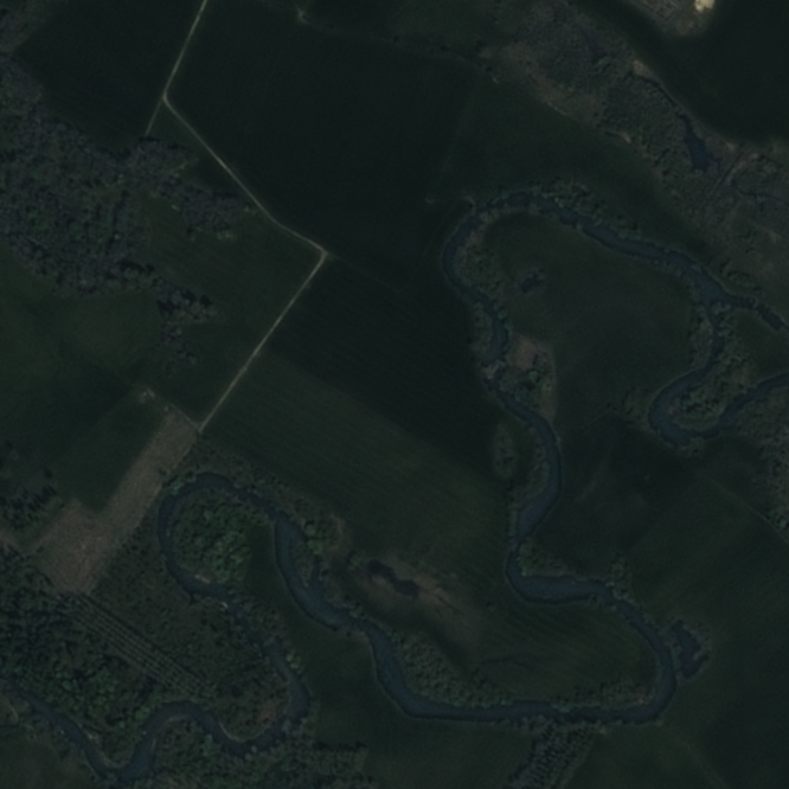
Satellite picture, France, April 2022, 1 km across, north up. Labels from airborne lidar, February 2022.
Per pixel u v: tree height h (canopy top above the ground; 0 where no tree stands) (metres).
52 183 22
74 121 0
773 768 0
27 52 0
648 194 0
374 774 0
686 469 0
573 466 0
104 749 0
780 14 0
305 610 0
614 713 0
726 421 0
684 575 0
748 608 0
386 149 0
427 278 0
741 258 0
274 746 0
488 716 0
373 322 0
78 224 18
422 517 0
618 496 0
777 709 0
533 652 0
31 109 14
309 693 0
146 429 0
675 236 0
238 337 0
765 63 0
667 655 0
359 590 0
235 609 0
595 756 0
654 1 0
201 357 0
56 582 0
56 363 0
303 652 0
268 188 0
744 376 29
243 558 11
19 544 0
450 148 0
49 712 0
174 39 0
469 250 6
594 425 0
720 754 0
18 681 0
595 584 0
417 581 0
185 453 0
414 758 0
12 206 18
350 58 0
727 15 0
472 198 0
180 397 0
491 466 0
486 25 0
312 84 0
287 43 0
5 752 0
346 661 0
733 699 0
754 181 6
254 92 0
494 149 0
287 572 0
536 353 0
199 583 0
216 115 0
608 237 0
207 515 13
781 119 0
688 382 0
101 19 0
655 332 0
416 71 0
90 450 0
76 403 0
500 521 0
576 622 0
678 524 0
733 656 0
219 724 0
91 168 16
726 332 7
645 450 0
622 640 0
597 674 0
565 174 0
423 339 0
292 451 0
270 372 0
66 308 0
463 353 0
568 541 0
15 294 0
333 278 0
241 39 0
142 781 6
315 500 0
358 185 0
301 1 0
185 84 0
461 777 0
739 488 0
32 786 0
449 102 0
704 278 0
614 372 0
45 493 0
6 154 0
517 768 0
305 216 0
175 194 20
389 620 0
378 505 0
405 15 0
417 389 0
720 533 0
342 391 0
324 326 0
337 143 0
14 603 0
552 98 0
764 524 0
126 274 16
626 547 0
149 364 0
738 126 0
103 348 0
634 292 0
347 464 0
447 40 0
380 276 0
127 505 0
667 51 0
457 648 0
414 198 0
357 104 0
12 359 0
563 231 0
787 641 0
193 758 8
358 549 0
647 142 7
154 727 0
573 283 0
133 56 0
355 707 0
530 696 0
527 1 0
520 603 0
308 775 8
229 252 0
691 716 0
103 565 0
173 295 11
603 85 6
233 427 0
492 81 0
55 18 0
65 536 0
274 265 0
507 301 0
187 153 13
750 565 0
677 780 0
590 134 0
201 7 0
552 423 0
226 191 0
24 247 20
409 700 0
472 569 0
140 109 0
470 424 0
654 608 0
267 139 0
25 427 0
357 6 0
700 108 0
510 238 0
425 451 0
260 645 0
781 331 0
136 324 0
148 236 17
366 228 0
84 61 0
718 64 0
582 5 0
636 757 0
